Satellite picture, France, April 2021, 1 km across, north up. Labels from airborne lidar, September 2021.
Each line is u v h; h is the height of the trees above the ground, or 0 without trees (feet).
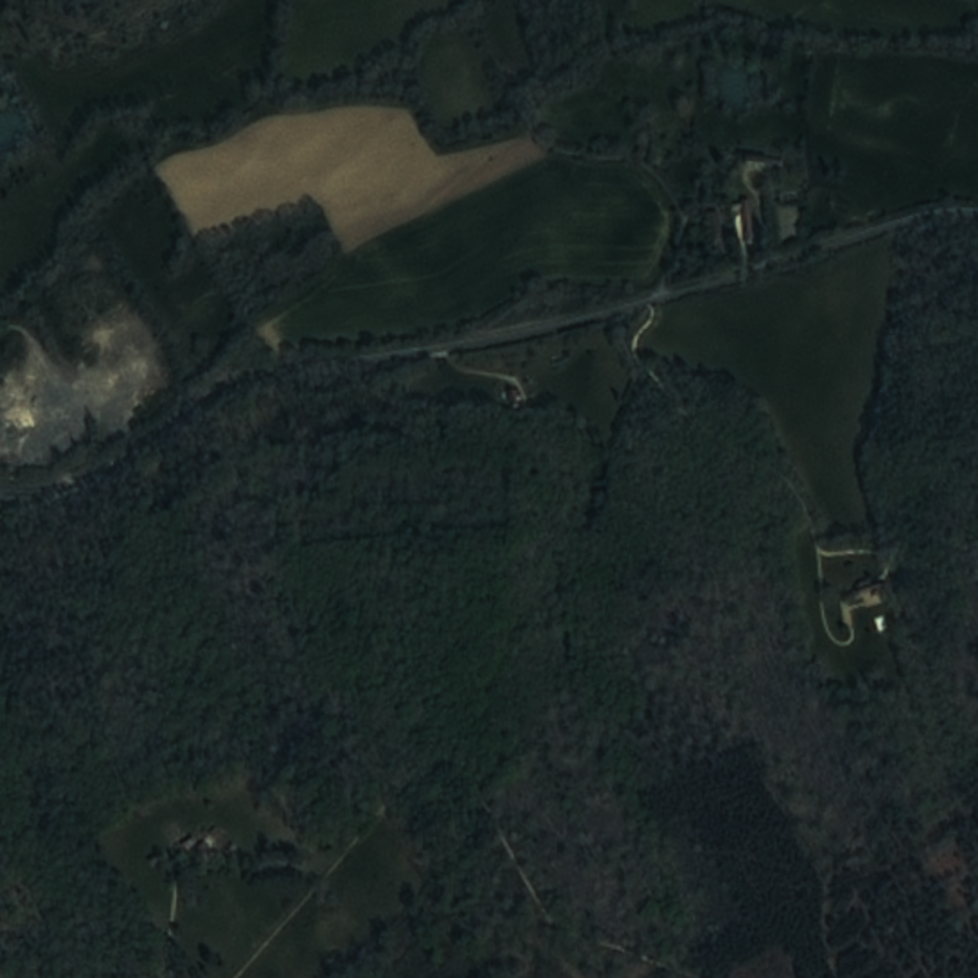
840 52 93
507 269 0
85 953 86
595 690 81
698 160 44
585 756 61
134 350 0
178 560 79
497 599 79
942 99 0
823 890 53
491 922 55
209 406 38
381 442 68
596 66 64
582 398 0
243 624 67
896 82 0
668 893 56
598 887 48
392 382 63
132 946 94
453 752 73
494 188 0
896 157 0
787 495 80
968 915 30
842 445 0
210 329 0
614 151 54
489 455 70
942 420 67
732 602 73
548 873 38
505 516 66
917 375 83
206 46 0
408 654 73
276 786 68
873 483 71
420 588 56
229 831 0
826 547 56
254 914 0
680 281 53
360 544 44
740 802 62
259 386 61
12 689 95
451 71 0
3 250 0
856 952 42
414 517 64
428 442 67
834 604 51
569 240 0
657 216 0
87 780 70
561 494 80
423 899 20
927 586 75
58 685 74
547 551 78
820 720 49
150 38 38
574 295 23
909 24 0
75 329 0
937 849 57
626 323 22
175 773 88
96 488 45
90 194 77
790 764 51
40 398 0
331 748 57
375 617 74
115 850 0
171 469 57
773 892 61
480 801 62
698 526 79
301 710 48
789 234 0
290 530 60
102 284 26
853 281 0
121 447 29
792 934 57
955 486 72
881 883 26
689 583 68
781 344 0
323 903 26
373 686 71
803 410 0
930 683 85
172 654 98
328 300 0
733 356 0
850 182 0
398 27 0
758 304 0
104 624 77
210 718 77
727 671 51
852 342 0
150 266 0
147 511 85
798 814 57
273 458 58
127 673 48
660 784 42
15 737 83
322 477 66
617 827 38
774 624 82
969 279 40
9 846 83
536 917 20
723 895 56
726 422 85
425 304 0
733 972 61
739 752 45
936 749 93
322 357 34
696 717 52
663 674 57
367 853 0
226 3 66
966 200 28
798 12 0
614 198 0
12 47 0
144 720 76
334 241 48
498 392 0
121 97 0
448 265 0
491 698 48
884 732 90
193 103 0
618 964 46
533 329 0
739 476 77
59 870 85
